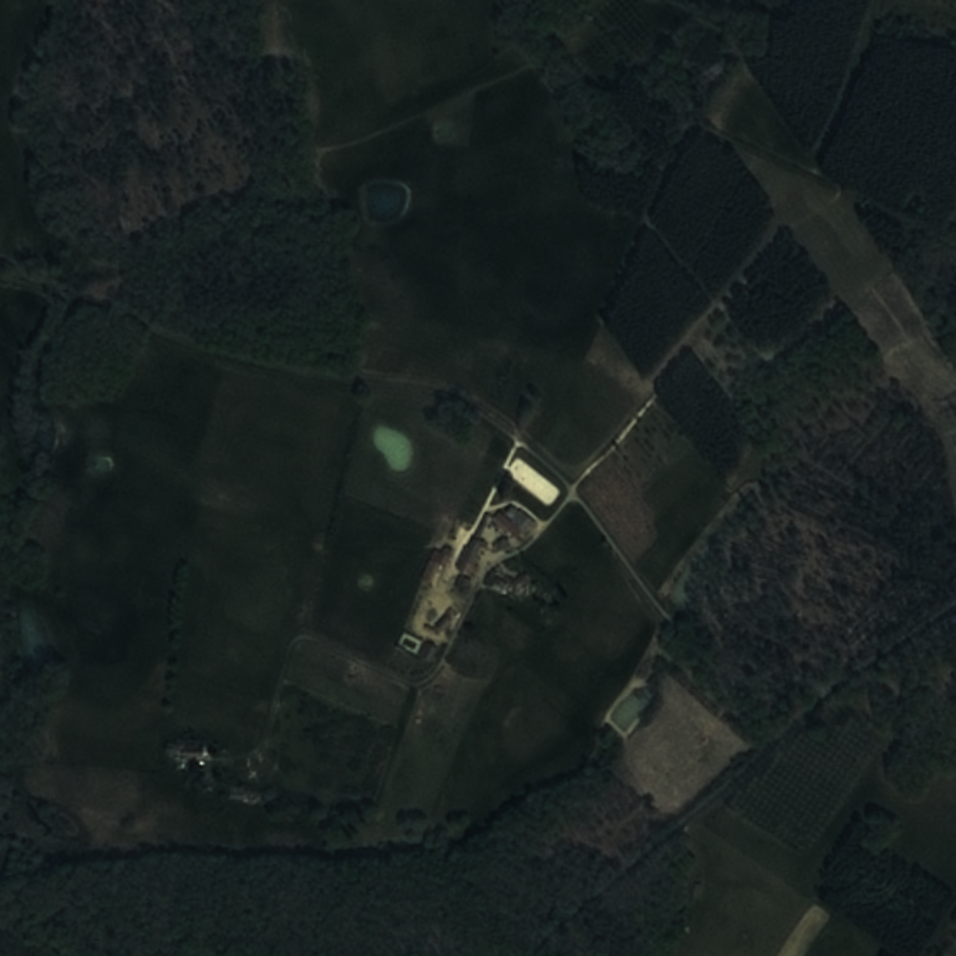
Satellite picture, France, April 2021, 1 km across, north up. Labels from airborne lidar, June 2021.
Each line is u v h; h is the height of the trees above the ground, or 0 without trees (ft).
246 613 0
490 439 0
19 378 57
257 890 66
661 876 58
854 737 79
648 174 60
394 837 0
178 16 48
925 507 54
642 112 64
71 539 0
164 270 60
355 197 0
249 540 0
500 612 0
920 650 51
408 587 0
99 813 0
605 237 0
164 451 0
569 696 0
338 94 0
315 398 0
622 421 0
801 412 52
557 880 63
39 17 0
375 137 0
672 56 69
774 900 0
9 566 65
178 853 59
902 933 60
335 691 0
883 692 57
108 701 0
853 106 57
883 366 45
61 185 61
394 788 0
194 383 0
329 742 0
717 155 56
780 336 61
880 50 58
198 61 38
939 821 0
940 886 45
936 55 56
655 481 0
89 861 51
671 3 45
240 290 66
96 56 63
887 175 61
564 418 0
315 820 32
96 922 76
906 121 59
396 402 0
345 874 87
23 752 60
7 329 0
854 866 49
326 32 0
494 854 69
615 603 0
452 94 0
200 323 60
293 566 0
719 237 57
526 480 0
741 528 49
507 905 67
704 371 54
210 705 0
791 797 80
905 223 21
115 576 0
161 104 63
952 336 73
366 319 56
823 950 0
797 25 58
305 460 0
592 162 56
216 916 69
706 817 0
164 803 0
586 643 0
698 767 0
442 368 0
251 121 79
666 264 67
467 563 0
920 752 69
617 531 45
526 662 0
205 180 55
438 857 64
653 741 0
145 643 0
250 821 0
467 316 0
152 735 0
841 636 22
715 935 0
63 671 75
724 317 47
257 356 54
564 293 0
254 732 0
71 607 0
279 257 75
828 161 55
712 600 48
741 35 54
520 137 0
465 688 0
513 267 0
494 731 0
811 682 54
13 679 62
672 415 53
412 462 0
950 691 52
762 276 53
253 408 0
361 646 0
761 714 66
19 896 63
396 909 60
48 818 45
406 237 0
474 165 0
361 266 0
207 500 0
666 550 0
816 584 24
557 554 0
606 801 36
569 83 47
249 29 60
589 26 60
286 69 50
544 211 0
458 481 0
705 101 33
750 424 62
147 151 54
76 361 65
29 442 37
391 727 0
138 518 0
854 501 57
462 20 0
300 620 0
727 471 62
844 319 73
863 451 23
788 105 61
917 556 60
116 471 0
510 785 0
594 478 32
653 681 23
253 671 0
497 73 0
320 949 71
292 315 76
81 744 0
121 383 50
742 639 61
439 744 0
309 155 63
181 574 30
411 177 0
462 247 0
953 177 56
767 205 56
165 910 72
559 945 73
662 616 44
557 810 70
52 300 52
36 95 71
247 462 0
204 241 55
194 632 0
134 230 0
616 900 52
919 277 50
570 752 0
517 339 0
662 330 59
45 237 0
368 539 0
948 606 53
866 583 24
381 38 0
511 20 65
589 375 0
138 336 51
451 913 60
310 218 80
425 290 0
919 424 70
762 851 0
